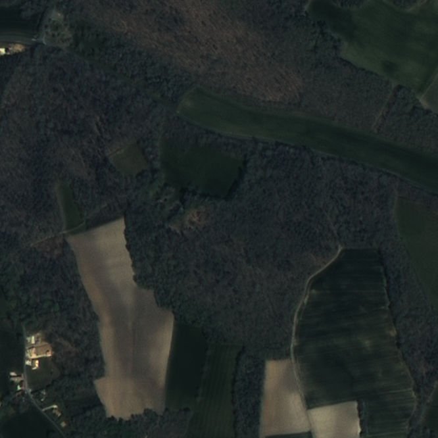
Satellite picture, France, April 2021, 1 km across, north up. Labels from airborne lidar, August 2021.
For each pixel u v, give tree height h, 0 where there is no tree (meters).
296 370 0
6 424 0
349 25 0
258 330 20
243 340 16
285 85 18
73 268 21
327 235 17
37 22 0
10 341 0
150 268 21
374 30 0
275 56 20
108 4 18
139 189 19
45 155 0
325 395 0
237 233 24
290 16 10
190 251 25
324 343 0
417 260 0
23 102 9
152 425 12
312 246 25
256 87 20
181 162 0
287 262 13
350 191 17
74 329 21
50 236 23
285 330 15
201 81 20
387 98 27
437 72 0
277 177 25
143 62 22
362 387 0
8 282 25
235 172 0
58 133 20
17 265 23
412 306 16
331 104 21
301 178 20
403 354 13
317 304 0
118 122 27
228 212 25
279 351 20
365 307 0
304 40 28
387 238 20
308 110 18
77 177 15
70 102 16
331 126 0
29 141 24
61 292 23
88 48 0
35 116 24
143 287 21
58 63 16
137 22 17
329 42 17
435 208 15
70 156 16
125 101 21
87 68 26
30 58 8
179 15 20
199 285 18
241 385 25
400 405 0
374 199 17
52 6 13
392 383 0
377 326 0
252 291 17
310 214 20
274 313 16
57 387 15
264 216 24
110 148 15
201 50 17
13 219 9
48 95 16
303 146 0
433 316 21
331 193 22
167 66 17
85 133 18
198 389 11
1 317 0
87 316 22
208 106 0
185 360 0
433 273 0
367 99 21
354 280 0
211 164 0
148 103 27
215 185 0
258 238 24
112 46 19
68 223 0
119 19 19
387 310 0
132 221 20
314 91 21
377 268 0
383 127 22
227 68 26
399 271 23
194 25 17
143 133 25
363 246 13
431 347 19
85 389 20
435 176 0
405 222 0
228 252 20
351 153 0
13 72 16
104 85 16
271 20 14
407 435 0
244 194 29
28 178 17
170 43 15
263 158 16
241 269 18
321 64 24
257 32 18
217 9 18
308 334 0
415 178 0
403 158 0
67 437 6
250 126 0
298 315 0
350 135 0
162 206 0
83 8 15
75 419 10
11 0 12
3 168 18
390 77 0
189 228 23
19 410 13
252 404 17
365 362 0
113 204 8
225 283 17
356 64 0
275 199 25
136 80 21
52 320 21
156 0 16
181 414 14
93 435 14
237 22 19
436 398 0
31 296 24
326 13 0
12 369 0
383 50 0
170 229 17
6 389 0
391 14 0
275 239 19
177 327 0
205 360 0
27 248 18
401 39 0
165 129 14
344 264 0
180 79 20
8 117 13
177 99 19
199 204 24
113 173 23
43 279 0
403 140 20
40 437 0
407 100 28
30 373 0
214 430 0
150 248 23
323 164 20
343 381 0
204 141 19
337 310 0
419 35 0
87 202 22
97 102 18
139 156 0
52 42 0
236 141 16
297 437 0
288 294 19
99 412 14
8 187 23
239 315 18
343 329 0
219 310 19
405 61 0
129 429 13
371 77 22
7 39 0
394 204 12
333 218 25
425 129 26
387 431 0
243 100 15
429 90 0
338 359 0
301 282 21
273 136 0
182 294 18
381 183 22
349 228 18
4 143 18
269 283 21
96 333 23
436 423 0
